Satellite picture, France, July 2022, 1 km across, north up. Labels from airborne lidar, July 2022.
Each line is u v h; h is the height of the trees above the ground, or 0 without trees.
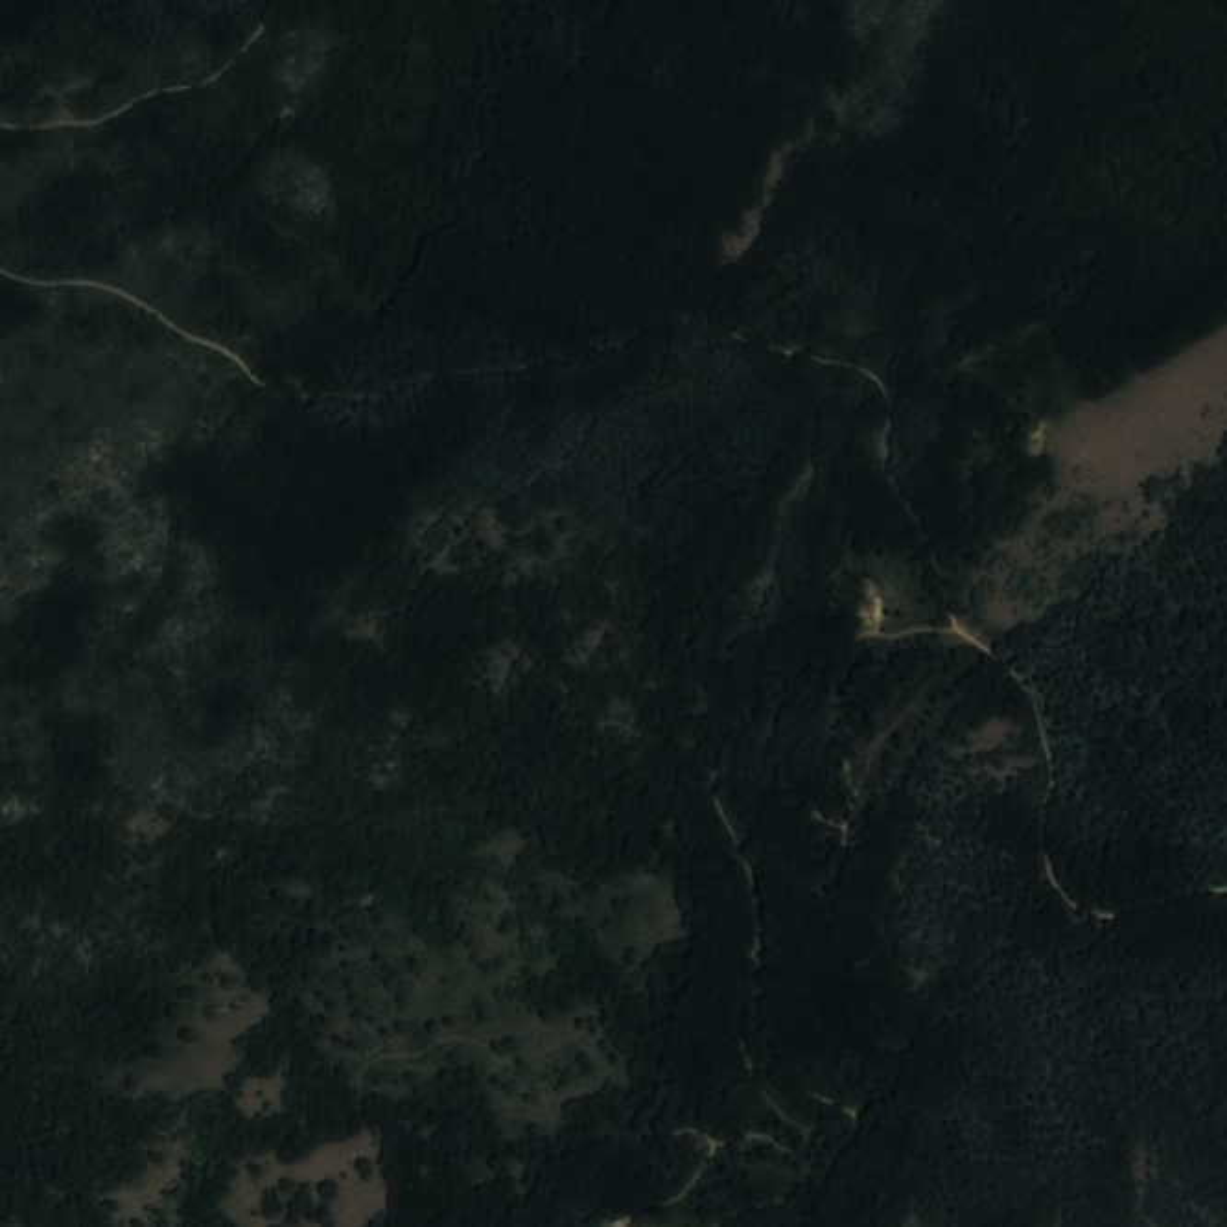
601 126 20
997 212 27
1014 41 18
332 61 10
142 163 9
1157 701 27
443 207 11
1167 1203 8
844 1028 19
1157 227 13
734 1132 19
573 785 6
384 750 6
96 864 9
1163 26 27
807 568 10
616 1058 15
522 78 20
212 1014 8
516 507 10
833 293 8
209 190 8
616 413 13
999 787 11
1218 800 20
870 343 10
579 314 21
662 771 12
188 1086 0
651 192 20
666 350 13
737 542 20
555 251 9
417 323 16
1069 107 30
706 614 17
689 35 15
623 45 25
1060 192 18
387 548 11
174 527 7
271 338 9
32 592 6
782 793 14
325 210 7
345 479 16
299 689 8
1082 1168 10
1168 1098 13
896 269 18
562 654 13
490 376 13
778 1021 19
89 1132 9
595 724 9
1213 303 17
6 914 9
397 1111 13
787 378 16
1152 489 11
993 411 15
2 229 8
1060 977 16
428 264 21
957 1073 16
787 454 18
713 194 12
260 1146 13
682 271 12
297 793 11
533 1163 20
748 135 12
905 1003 15
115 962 9
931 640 14
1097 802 19
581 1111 18
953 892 18
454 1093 10
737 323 7
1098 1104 14
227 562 11
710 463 8
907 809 12
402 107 7
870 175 16
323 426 11
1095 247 16
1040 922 18
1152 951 15
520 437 13
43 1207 19
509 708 16
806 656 17
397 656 9
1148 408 0
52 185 8
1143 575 18
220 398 6
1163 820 20
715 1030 19
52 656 14
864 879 15
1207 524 20
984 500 11
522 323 18
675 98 18
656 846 15
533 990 14
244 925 19
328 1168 0
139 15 6
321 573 14
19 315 10
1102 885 21
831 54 11
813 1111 13
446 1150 15
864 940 16
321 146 19
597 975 17
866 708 18
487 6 6
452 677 13
